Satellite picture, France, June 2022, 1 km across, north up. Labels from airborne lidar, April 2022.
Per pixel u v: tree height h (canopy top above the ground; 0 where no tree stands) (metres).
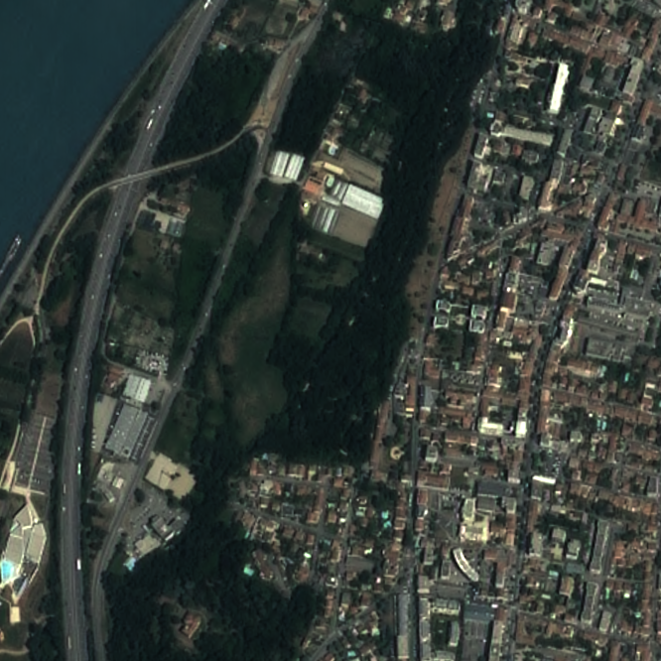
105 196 6
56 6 0
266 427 9
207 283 14
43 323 0
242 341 0
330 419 18
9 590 0
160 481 0
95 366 13
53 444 12
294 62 0
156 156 7
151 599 20
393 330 13
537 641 13
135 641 25
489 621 0
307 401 19
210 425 9
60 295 28
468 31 18
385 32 14
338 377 20
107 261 0
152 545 0
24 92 0
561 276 0
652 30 0
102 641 0
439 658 0
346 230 0
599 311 0
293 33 0
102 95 0
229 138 14
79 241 10
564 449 0
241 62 14
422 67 31
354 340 20
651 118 6
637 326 0
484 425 0
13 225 0
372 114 16
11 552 0
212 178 12
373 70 17
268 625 24
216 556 23
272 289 0
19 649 0
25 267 0
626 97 0
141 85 0
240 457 17
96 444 0
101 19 0
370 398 28
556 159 20
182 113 16
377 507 15
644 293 0
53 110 0
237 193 13
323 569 11
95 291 0
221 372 9
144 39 0
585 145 20
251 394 0
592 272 0
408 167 15
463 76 20
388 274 16
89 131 0
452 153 14
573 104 19
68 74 0
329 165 0
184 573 20
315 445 13
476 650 0
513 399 0
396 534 0
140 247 0
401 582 12
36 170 0
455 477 0
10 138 0
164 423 0
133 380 0
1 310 0
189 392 6
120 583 19
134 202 0
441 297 10
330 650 12
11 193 0
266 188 11
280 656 27
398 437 7
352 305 19
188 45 0
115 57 0
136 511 0
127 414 0
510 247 14
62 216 8
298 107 19
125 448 0
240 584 18
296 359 15
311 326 0
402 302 12
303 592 23
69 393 0
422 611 0
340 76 8
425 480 0
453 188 0
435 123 19
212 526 21
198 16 0
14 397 0
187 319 9
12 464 0
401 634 0
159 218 0
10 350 0
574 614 5
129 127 14
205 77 20
